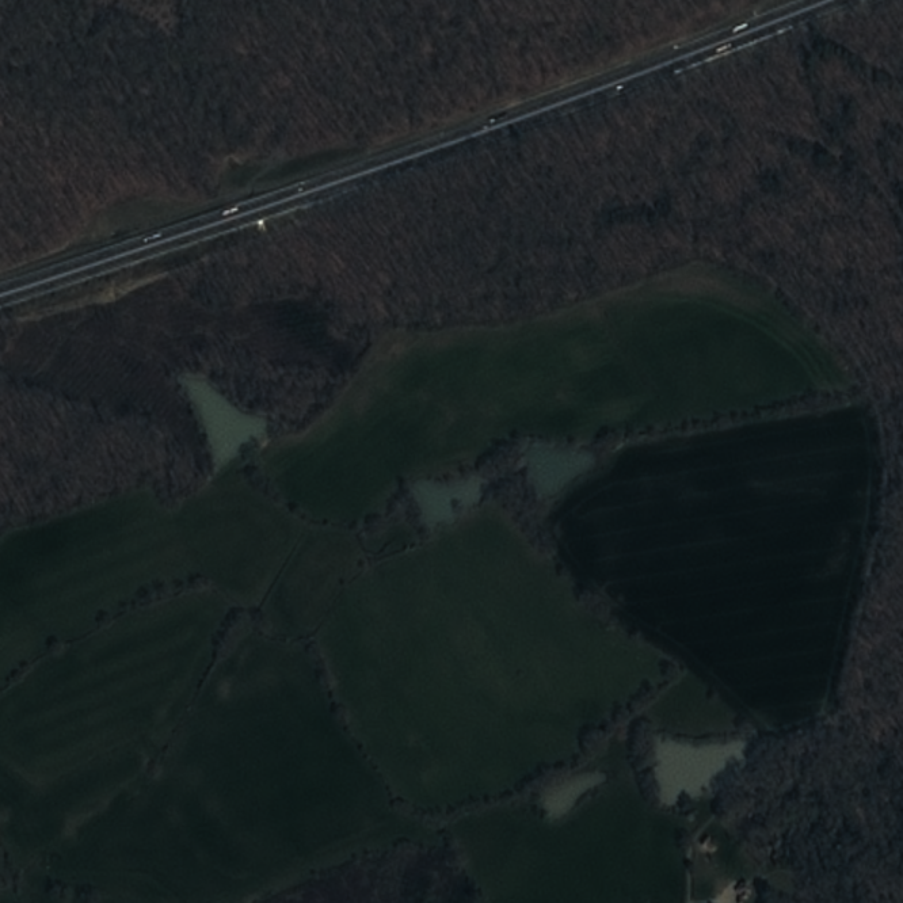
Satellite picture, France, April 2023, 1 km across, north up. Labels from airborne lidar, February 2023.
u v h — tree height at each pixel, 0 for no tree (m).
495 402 0
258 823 0
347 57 26
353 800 0
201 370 20
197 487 7
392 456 0
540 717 0
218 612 0
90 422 23
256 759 0
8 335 24
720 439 0
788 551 0
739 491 0
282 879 0
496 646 0
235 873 0
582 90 0
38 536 0
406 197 24
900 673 25
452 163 24
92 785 0
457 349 0
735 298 0
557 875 0
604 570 0
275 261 21
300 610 0
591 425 0
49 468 22
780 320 0
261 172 0
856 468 0
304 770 0
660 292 0
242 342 0
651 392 0
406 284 23
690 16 13
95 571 0
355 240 27
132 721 0
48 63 24
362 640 0
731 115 26
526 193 26
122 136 24
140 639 0
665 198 24
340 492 0
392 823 0
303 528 0
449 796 0
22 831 0
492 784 0
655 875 0
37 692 0
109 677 0
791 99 21
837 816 28
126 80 24
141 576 0
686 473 0
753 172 25
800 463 0
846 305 21
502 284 22
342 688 0
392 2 24
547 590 0
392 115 24
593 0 24
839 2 0
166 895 0
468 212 27
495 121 0
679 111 20
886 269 25
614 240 26
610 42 17
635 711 15
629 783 0
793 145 25
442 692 0
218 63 24
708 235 28
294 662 0
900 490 23
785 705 0
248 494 0
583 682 0
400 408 0
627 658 0
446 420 0
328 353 0
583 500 0
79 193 23
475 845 0
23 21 27
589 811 0
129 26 25
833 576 0
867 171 23
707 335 0
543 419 0
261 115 26
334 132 24
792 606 0
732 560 0
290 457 0
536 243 27
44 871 0
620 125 26
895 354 21
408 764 0
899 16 21
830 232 26
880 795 24
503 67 25
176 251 0
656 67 0
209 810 0
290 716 0
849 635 14
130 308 0
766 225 24
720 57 0
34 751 0
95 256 0
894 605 22
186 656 0
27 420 24
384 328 9
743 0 17
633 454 0
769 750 24
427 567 0
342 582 7
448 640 0
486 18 25
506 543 0
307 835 0
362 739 0
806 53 23
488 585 0
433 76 23
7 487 23
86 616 0
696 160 18
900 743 28
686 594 0
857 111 19
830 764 26
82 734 0
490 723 0
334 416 0
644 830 0
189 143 26
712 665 0
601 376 0
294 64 25
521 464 18
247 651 0
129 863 0
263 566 0
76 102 24
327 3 25
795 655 0
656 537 0
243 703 0
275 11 23
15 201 24
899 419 24
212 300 22
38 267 0
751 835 25
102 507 0
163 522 0
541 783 18
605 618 17
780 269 23
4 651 0
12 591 0
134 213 0
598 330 0
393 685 0
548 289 26
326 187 0
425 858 0
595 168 24
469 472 12
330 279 19
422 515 16
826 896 28
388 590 0
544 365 0
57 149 21
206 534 0
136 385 0
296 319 0
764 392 0
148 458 24
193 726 0
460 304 24
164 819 0
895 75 27
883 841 21
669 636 0
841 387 0
